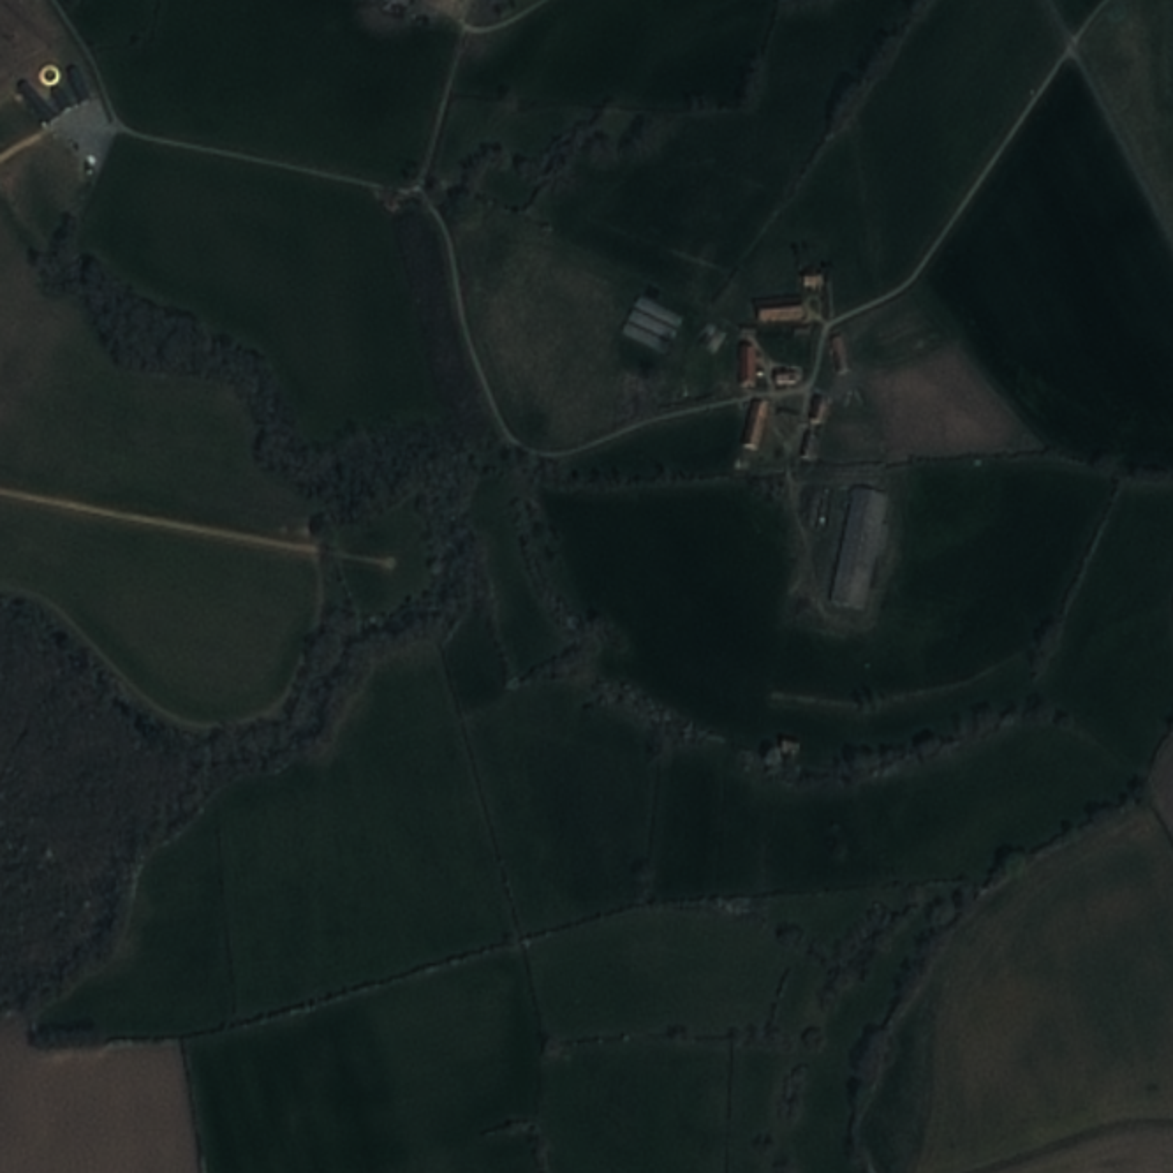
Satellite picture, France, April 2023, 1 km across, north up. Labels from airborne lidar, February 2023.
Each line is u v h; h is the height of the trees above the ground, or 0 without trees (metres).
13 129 0
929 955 17
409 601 6
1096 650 0
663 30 0
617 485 12
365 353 0
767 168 0
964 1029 0
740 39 0
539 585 6
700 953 0
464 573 21
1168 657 0
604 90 0
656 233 0
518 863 0
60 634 14
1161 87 0
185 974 0
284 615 0
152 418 0
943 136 0
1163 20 0
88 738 11
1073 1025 0
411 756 0
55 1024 0
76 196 0
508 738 0
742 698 0
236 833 0
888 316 0
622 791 0
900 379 0
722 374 0
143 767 11
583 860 0
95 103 0
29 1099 0
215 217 0
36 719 10
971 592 0
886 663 0
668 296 0
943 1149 0
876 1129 0
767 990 0
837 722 0
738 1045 13
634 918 0
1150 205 0
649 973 0
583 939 0
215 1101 0
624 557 0
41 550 0
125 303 24
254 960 0
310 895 0
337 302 0
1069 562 0
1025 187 0
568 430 0
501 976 0
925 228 0
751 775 0
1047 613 0
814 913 0
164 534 0
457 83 0
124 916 24
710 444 0
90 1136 0
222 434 0
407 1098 0
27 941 7
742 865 0
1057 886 0
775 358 0
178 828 12
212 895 0
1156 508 0
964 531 0
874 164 0
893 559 0
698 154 0
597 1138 0
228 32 0
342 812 0
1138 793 16
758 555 0
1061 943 0
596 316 0
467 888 0
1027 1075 0
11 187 0
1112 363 0
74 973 16
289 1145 0
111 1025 0
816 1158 0
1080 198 0
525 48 0
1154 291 0
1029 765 0
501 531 0
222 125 0
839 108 15
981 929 0
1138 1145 0
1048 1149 0
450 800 0
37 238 0
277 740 18
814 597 0
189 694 0
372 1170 0
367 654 22
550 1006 0
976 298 0
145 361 26
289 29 0
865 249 0
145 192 0
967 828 0
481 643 0
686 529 0
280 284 0
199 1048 0
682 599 0
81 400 0
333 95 0
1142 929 0
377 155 0
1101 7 0
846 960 14
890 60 15
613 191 0
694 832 0
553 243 0
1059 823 0
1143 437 0
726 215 0
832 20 0
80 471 0
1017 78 0
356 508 18
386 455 23
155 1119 0
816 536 0
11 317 0
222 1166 0
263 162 0
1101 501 0
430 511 11
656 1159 0
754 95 12
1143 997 0
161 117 0
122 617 0
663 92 0
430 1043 0
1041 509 0
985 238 0
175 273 0
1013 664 0
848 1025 0
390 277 0
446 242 0
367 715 0
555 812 0
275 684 0
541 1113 0
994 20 0
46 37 0
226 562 0
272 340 0
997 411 0
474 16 0
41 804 7
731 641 0
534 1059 0
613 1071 0
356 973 0
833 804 0
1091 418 0
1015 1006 0
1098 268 0
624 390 0
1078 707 0
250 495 0
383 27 0
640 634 0
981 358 0
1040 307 0
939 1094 0
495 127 0
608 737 0
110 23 0
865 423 0
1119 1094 0
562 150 18
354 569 0
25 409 0
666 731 12
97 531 0
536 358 0
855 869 0
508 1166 0
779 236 0
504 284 0
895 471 0
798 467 12
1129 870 0
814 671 0
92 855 12
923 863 0
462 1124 0
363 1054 0
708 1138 0
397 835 0
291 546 0
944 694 0
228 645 0
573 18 0
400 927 0
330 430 0
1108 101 0
